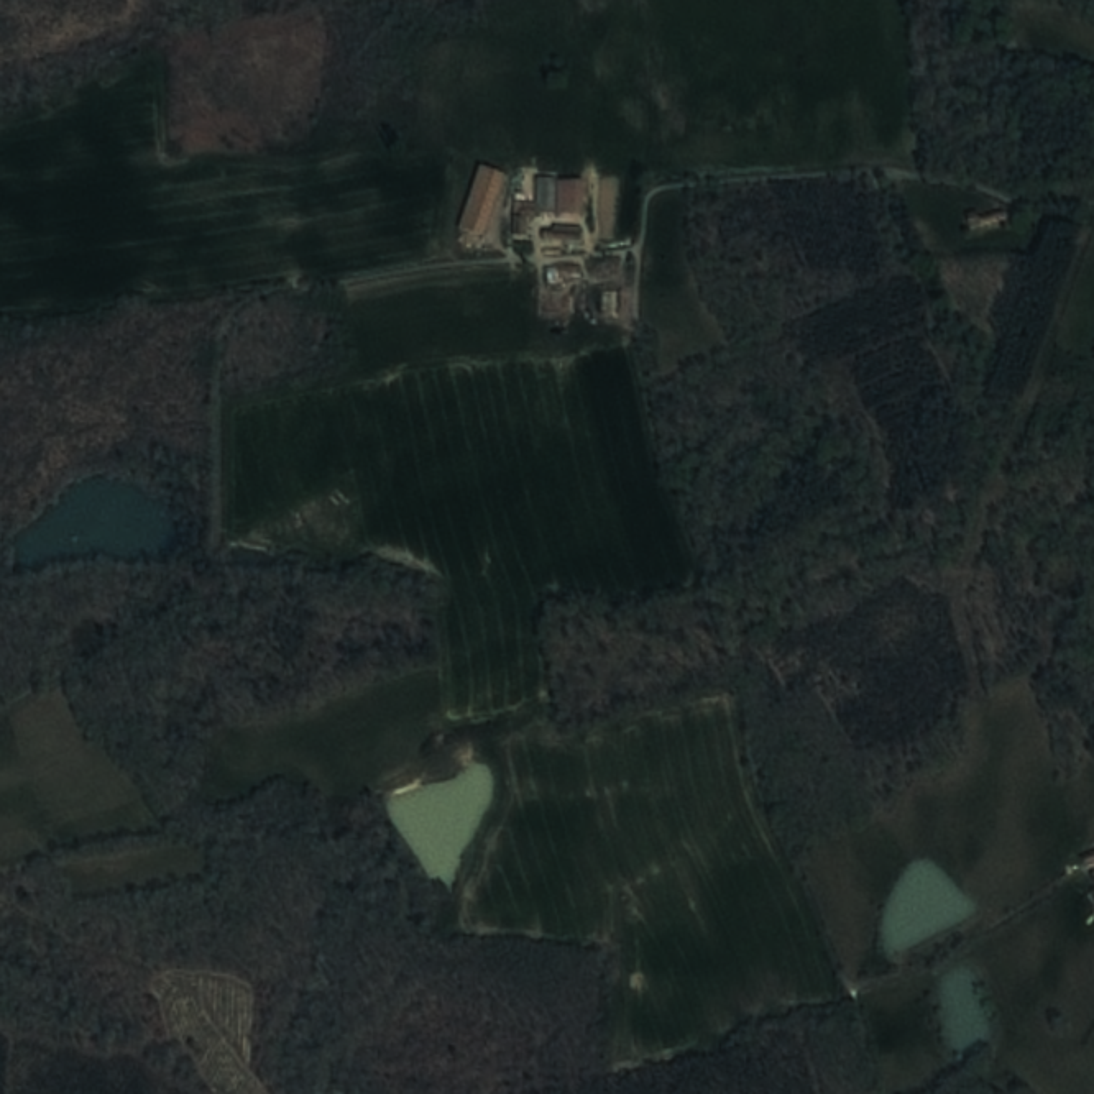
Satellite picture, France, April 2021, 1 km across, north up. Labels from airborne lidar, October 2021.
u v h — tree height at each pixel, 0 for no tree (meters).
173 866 0
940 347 16
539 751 0
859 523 20
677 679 20
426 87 0
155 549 0
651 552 0
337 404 0
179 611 15
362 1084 15
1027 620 20
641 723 0
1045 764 0
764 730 14
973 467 20
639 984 0
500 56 0
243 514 0
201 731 18
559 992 13
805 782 16
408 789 0
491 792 0
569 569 0
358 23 9
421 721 0
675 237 0
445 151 0
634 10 0
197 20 10
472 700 0
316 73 0
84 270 0
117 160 0
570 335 0
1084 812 0
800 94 0
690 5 0
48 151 0
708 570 18
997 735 0
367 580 17
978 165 16
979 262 17
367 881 22
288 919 17
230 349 11
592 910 0
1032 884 0
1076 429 18
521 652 0
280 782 11
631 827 0
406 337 0
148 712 19
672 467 18
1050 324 16
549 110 0
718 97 0
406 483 0
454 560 0
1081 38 0
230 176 0
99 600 14
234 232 0
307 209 0
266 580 19
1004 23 24
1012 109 21
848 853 0
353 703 0
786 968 0
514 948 14
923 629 8
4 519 6
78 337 6
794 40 0
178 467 15
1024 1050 0
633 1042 0
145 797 16
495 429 0
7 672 16
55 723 0
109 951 9
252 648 6
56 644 21
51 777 0
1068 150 26
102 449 9
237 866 20
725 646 24
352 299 0
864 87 0
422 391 0
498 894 0
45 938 8
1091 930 0
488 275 0
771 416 24
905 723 12
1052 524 23
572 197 0
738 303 15
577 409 0
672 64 0
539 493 0
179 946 19
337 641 10
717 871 0
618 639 29
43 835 0
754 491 26
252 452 0
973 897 0
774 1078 14
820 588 15
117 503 0
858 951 0
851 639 7
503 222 0
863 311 7
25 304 0
